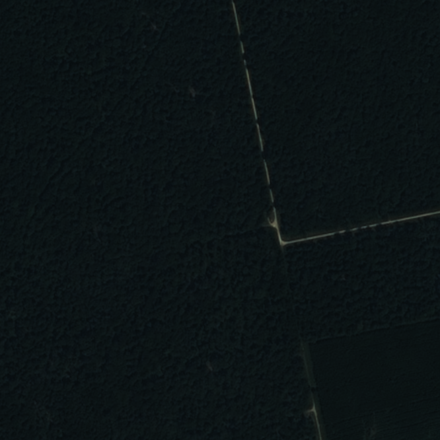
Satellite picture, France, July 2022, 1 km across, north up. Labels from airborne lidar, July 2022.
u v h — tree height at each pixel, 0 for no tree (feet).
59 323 70
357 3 80
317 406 0
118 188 92
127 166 80
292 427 64
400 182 60
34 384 77
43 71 74
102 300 72
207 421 79
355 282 76
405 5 73
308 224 79
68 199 76
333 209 88
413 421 19
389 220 0
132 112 62
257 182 71
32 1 79
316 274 84
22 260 60
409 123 79
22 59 67
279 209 88
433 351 29
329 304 86
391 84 86
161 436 55
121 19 73
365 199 71
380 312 81
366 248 76
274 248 33
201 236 78
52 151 65
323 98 55
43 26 69
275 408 79
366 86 72
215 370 55
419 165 79
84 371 68
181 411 85
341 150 67
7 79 86
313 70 84
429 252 85
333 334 51
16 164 65
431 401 21
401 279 87
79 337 84
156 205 91
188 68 80
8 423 58
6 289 32
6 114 86
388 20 75
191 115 73
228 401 94
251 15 78
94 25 88
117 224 76
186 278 79
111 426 61
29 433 60
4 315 87
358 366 27
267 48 67
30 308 67
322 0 67
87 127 100
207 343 69
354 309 67
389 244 70
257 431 85
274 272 31
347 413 26
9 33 76
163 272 74
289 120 81
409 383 28
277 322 70
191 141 67
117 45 79
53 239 83
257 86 71
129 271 71
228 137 53
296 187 74
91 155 85
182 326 52
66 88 75
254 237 80
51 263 44
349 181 80
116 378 87
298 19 84
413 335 23
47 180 81
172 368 43
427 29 74
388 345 25
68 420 69
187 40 72
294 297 32
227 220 24
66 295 83
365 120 87
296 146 65
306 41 74
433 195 79
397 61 60
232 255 77
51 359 82
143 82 76
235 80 68
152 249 42
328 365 28
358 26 84
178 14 52
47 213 96
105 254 68
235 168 76
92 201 87
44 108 76
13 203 92
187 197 78
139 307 31
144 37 58
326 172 63
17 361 77
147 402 92
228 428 54
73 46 57
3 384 72
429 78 87
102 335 74
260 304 45
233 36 77
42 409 73
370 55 85
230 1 44
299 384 86
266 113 73
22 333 81
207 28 71
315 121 42
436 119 71
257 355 65
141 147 90
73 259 74
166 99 95
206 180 72
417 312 92
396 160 64
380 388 30
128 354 87
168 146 58
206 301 74
